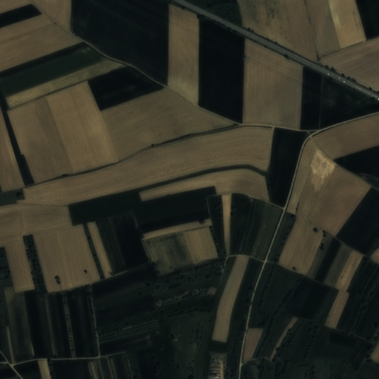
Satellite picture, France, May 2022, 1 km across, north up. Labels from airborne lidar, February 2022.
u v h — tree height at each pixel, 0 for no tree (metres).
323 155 0
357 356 0
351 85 0
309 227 0
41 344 0
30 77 0
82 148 0
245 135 0
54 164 0
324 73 0
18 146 0
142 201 0
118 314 0
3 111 0
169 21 0
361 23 0
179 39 0
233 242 0
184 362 0
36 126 0
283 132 0
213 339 0
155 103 0
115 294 0
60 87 0
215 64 0
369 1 0
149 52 0
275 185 0
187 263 0
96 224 0
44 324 0
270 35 0
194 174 0
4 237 0
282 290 0
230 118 0
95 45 0
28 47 0
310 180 0
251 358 0
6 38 0
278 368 10
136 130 0
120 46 0
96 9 0
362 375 0
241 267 0
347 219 0
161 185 0
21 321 0
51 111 0
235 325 0
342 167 0
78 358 0
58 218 0
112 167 0
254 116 0
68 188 0
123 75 0
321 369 0
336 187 0
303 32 0
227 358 0
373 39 0
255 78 0
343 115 0
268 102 0
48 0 0
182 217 0
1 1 0
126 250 0
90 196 0
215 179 0
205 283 0
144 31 0
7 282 0
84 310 0
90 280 0
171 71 0
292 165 0
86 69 0
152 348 0
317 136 0
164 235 0
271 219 0
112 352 0
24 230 0
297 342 0
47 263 0
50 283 0
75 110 0
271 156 0
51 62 0
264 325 11
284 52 0
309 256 0
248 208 0
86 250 0
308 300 0
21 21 0
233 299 0
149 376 0
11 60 0
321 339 0
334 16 0
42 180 0
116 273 0
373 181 0
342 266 0
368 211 0
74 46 0
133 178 0
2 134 0
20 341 0
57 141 0
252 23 0
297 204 0
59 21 0
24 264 0
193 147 0
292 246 0
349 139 0
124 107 0
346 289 0
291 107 0
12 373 0
